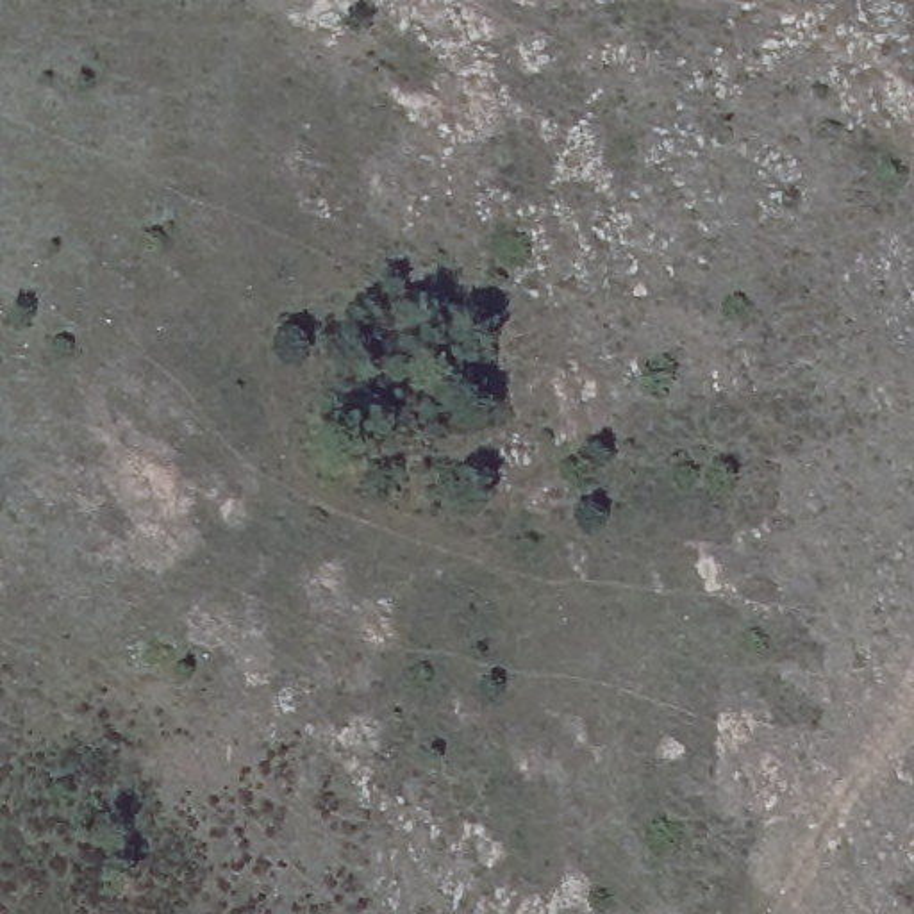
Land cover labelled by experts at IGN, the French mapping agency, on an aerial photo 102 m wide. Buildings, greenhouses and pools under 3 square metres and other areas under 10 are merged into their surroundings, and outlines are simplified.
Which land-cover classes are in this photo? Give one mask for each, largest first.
<instances>
[{"label":"bare soil","instance_id":"1","mask_svg":"<svg viewBox=\"0 0 914 914\"><path fill-rule=\"evenodd\" d=\"M493 221H518V229L528 232V264L514 271L489 264ZM389 261H407L414 278L453 271L464 289L507 293V321L500 328L496 364L507 375L511 418L507 425L482 432L486 450L500 453V486L486 489L482 511H446L436 489V468L411 475L407 486L389 493L386 500L364 496V489H353L350 478L339 489L321 493L318 468H311L307 446L289 439L286 407H300L303 400L296 396L289 364L275 353L278 325L300 311L336 321L346 318L350 300L375 286ZM657 353H675L678 371L668 393L646 396L643 364ZM586 436H596L600 446L614 450V457L603 461L607 471L596 482L600 493H593V503L607 511V521L593 532H582L575 514L582 496L561 475L564 457L578 450ZM675 464L689 471L725 464L732 471L728 493L718 496L707 489L668 486ZM100 707H107L111 725L121 735L146 743L150 753L143 760V771L154 782L161 803L175 807V796L189 789L193 807L204 796L239 793V775L261 771L264 750L278 743V735L289 728H300L307 739L375 750V764L346 760V771L357 782V800L368 810H382L396 828H403L411 835V846L375 850L371 864H357L353 875L361 885H368L371 900L361 914H914V0H0V757L7 760L11 753L25 757L36 750L68 746V735H79L89 746L100 735Z\"/></svg>","mask_w":914,"mask_h":914},{"label":"herbaceous vegetation","instance_id":"2","mask_svg":"<svg viewBox=\"0 0 914 914\"><path fill-rule=\"evenodd\" d=\"M100 735L89 746L79 735H68V746L36 750L25 757L11 753L7 760L0 757V914H361L371 900L368 885H361L353 875L357 864H371L375 850L411 846V835L403 828H396L382 810H368L357 800V782L346 771V760L375 764V750L307 739L300 728H289L278 735V743L264 750L261 771L239 775V793L204 796L193 807L189 789L175 796V807L161 803L154 782L143 771V760L150 753L146 743L121 735L111 725L107 707H100Z\"/></svg>","mask_w":914,"mask_h":914},{"label":"coniferous trees","instance_id":"3","mask_svg":"<svg viewBox=\"0 0 914 914\"><path fill-rule=\"evenodd\" d=\"M507 321V293L464 289L453 271L414 278L407 261H389L375 286L350 300L346 318L336 321L300 311L278 325L275 353L289 364L296 396L303 400L300 407H286L289 439L307 446L311 468H318L321 493L339 489L350 478L353 489H364V496L386 500L389 493L407 486L411 475L436 468V489L446 511H482L486 489L500 486V453L486 450L482 432L507 425L511 418L507 375L496 364L500 328Z\"/></svg>","mask_w":914,"mask_h":914},{"label":"brushwood","instance_id":"4","mask_svg":"<svg viewBox=\"0 0 914 914\"><path fill-rule=\"evenodd\" d=\"M489 264L514 271L528 264V232L518 229V221H493ZM678 371L675 353H657L643 364L646 396L668 393ZM614 457V450L600 446L596 436H586L578 450L564 457L561 475L582 496L575 514L582 532H593L607 521V511L593 503V493H600L596 482L607 471L603 461ZM732 471L725 464L689 471L675 464L668 486L707 489L718 496L728 493Z\"/></svg>","mask_w":914,"mask_h":914}]
</instances>
